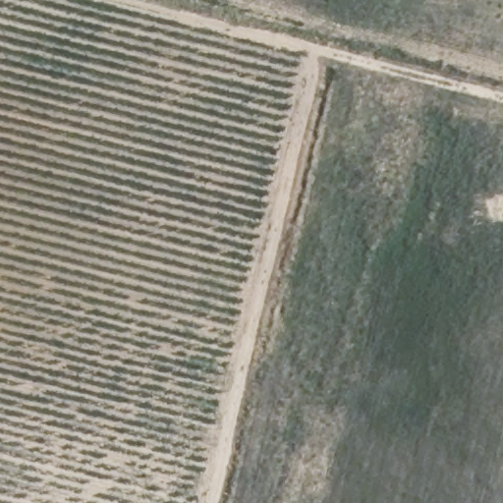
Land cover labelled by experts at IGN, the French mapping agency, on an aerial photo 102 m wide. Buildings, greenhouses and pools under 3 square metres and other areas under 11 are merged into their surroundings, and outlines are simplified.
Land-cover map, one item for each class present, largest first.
<instances>
[{"label":"vineyard","instance_id":"1","mask_svg":"<svg viewBox=\"0 0 503 503\"><path fill-rule=\"evenodd\" d=\"M114 0H0V503H195L198 501L196 487L200 475L204 470H214L212 458L222 430L218 399L220 393H228L232 389L234 383V373L230 371L228 362H218L216 358L230 356V350L242 342L248 328V314L238 310L242 303L240 289L242 283H246V277H240L238 271L250 269L251 246L257 238L255 228L263 218V196L267 195V185L271 181L273 165L277 159L275 147L261 145V140L279 141V138L273 136V132H283V126L263 124L259 118H287L293 77L297 75L301 59L307 57V51L273 47L261 41L220 33L214 29L195 28L177 20L124 10L112 6Z\"/></svg>","mask_w":503,"mask_h":503},{"label":"agricultural land","instance_id":"2","mask_svg":"<svg viewBox=\"0 0 503 503\"><path fill-rule=\"evenodd\" d=\"M318 98V110L312 126V138L308 143L307 163L301 177V189L291 218H285L283 222V236L277 248V259L271 269L267 293L257 322L250 371L238 413L234 446L220 503H503V102L479 98L466 92L442 90L430 84L413 83L401 77L381 75L340 61H336L334 67L326 69L324 86L314 94Z\"/></svg>","mask_w":503,"mask_h":503},{"label":"pervious surface","instance_id":"3","mask_svg":"<svg viewBox=\"0 0 503 503\"><path fill-rule=\"evenodd\" d=\"M112 6L124 10L177 20L195 28L214 29L220 33L261 41L273 47L307 51V57L301 59L297 75L293 77L287 118H259L263 124L283 126V132H273V136L279 138V141L261 140V145L275 147L277 159L273 165L271 181L267 185V195L263 196V218L255 228L257 238L251 246L250 269L238 271L240 277H246V283H242L240 289L242 303L238 310L248 314V328L242 342L230 350V356L216 358L218 362H228L230 371L234 373V383L232 389L228 393H220L218 399L222 430L212 458L214 470H204L200 475L196 487L198 501L195 503H220L234 446L238 413L250 371L257 322L267 293L271 269L277 259V248L283 236V222L285 218H291L301 189V177L307 163L308 143L312 138V126L318 110V98L314 94L324 86L326 69L334 67L336 61H340L381 75L401 77L413 83L430 84L442 90L466 92L479 98L503 102V90L456 81L452 77L428 73L420 67L375 59L371 55L352 53L332 45L312 43L287 33L232 26L224 20L179 10L169 0H114Z\"/></svg>","mask_w":503,"mask_h":503},{"label":"herbaceous vegetation","instance_id":"4","mask_svg":"<svg viewBox=\"0 0 503 503\"><path fill-rule=\"evenodd\" d=\"M179 10L224 20L232 26L287 33L312 43L332 45L352 53L371 55L375 59L420 67L428 73L452 77L456 81L503 90V0H169Z\"/></svg>","mask_w":503,"mask_h":503}]
</instances>
